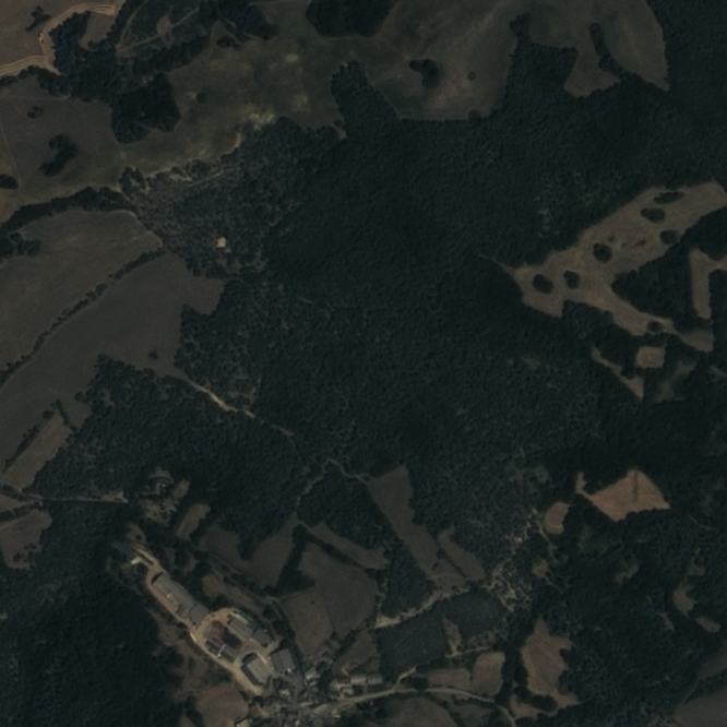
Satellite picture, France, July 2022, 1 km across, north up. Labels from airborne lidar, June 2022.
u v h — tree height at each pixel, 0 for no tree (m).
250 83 0
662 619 13
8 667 11
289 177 9
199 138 0
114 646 10
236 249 8
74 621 18
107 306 0
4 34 0
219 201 7
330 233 10
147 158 0
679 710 0
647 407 10
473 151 14
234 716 0
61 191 0
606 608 14
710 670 0
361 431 12
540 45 7
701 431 11
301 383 14
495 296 16
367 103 13
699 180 14
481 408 14
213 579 0
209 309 0
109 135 0
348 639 7
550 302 0
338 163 13
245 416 11
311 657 0
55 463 7
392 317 12
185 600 0
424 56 0
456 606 12
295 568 6
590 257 0
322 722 0
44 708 25
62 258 0
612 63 15
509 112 13
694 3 15
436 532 9
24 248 8
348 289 13
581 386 14
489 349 11
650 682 12
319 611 0
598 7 0
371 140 15
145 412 10
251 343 11
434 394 16
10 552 0
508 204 11
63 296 0
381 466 17
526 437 12
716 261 0
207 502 9
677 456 14
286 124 10
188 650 0
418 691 10
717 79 10
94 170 0
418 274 14
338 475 15
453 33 0
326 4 12
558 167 11
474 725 0
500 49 0
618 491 0
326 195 14
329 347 13
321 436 17
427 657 10
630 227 0
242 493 15
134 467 7
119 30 7
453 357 14
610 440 14
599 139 13
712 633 8
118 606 16
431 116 0
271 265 11
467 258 12
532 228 10
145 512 8
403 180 11
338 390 11
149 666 17
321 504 14
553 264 0
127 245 0
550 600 17
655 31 0
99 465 7
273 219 9
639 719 9
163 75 11
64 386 0
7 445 0
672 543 6
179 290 0
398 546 8
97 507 12
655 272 8
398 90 0
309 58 0
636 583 15
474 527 8
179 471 14
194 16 0
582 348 14
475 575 0
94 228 0
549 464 11
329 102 0
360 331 13
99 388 8
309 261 9
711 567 11
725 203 0
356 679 0
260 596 12
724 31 17
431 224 9
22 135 0
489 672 0
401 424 14
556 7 0
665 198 8
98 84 16
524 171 10
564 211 10
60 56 12
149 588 0
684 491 11
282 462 14
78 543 8
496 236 12
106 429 10
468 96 0
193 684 0
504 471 8
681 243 8
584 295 0
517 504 7
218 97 0
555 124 15
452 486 9
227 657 0
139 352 0
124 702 17
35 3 0
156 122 11
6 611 7
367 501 14
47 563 8
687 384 14
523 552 7
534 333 12
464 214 13
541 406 13
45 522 0
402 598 12
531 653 0
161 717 10
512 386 11
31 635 13
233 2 13
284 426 17
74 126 0
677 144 7
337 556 8
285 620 8
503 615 12
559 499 12
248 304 12
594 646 15
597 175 13
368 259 13
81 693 18
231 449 14
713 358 12
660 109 12
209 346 10
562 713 13
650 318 0
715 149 11
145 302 0
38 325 0
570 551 16
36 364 0
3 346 0
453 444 16
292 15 0
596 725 12
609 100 13
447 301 15
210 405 9
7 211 0
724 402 15
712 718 0
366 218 10
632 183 7
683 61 11
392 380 12
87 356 0
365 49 0
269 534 12
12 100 0
